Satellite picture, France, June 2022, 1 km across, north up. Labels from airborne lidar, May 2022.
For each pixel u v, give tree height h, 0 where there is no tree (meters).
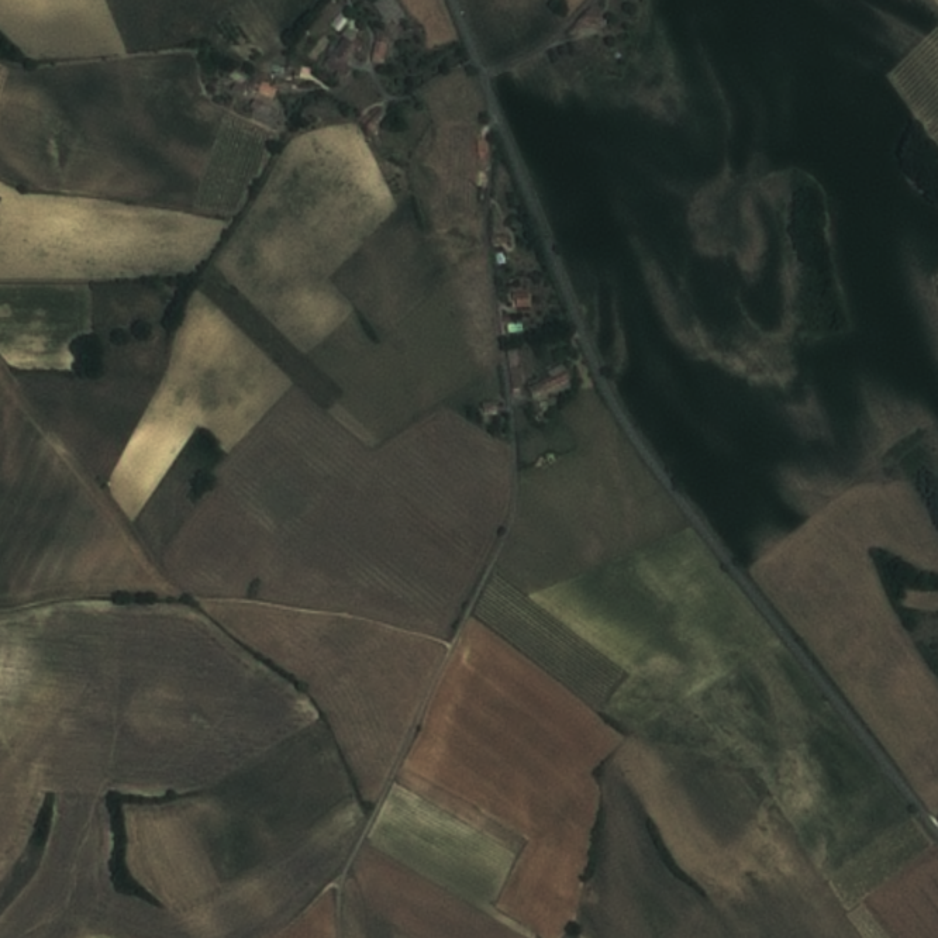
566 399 12
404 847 0
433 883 0
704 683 0
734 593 0
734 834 0
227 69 10
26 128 0
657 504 0
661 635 0
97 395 0
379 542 0
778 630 0
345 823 0
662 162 0
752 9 0
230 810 0
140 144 0
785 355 0
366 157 0
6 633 0
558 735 0
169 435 0
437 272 0
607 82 0
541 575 0
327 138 0
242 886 0
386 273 0
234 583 0
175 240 0
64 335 0
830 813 0
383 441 0
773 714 0
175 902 0
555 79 0
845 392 0
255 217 0
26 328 0
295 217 0
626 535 0
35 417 0
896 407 0
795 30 0
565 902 0
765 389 0
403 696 0
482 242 0
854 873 0
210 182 0
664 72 0
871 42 0
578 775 0
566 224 0
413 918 0
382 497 0
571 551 0
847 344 0
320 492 0
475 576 0
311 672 0
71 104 0
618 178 0
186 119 0
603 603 0
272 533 0
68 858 0
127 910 0
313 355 0
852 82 0
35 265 0
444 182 0
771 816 0
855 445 0
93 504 0
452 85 0
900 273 0
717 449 0
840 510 0
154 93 0
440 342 0
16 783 0
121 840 9
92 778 0
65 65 0
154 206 0
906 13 0
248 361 0
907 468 0
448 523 0
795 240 8
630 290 0
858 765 0
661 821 0
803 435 0
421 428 0
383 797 0
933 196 18
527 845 0
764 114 0
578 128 0
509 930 0
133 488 0
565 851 0
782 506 0
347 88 0
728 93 0
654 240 0
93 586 0
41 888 0
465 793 0
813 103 0
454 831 0
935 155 12
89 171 0
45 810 9
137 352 0
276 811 0
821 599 0
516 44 0
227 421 0
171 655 0
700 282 0
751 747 0
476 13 0
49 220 0
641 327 0
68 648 0
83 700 0
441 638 0
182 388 0
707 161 0
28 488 0
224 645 0
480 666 0
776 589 0
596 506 0
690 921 0
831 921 0
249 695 0
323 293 0
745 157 0
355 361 0
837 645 0
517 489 0
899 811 0
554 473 0
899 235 0
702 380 0
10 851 0
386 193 0
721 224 0
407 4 0
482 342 0
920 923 0
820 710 0
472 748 0
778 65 0
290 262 0
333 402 0
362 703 0
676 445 0
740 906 0
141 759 0
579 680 0
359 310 0
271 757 0
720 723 0
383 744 0
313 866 0
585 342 0
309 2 0
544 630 0
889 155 0
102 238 0
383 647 0
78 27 0
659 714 0
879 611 0
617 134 0
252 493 0
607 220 0
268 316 0
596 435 0
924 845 0
